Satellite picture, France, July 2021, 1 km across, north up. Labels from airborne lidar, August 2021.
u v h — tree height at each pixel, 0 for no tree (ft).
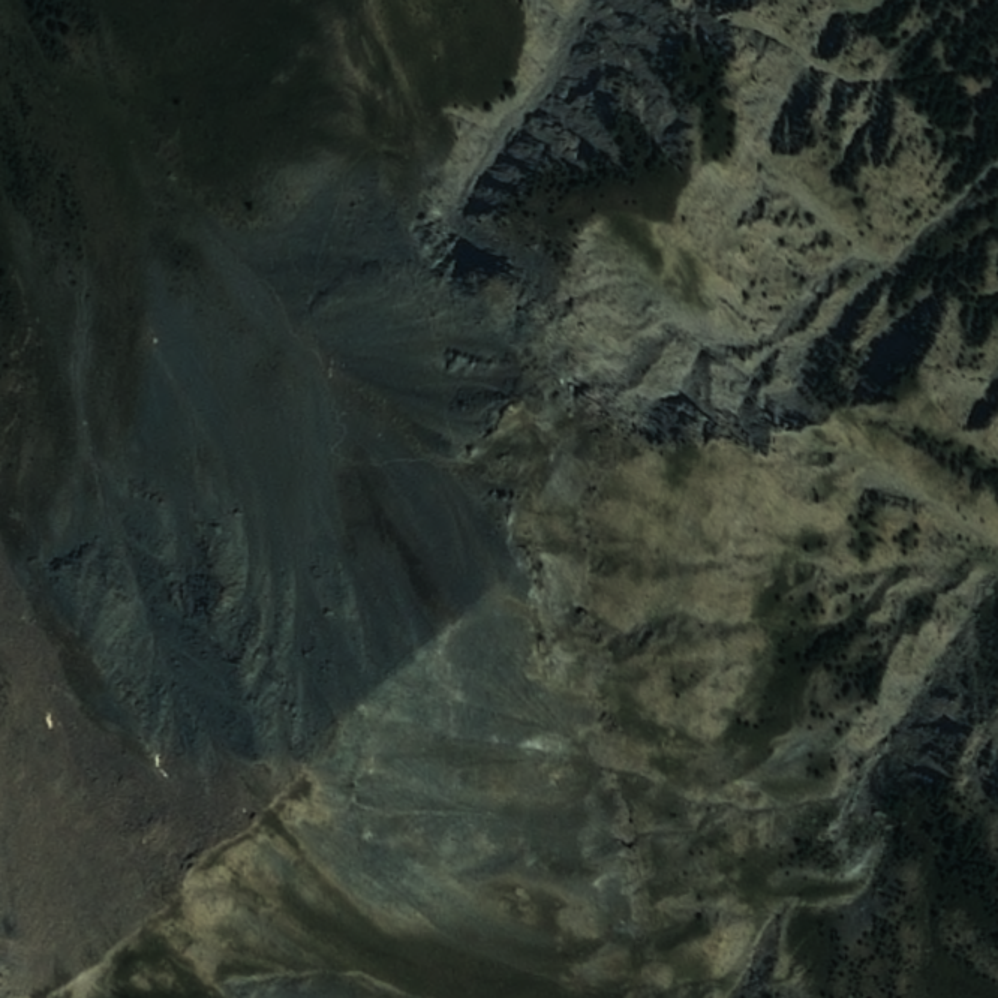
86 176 0
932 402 0
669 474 0
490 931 0
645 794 0
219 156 0
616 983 0
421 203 0
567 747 0
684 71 41
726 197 0
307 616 0
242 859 0
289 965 0
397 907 0
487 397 0
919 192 0
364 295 0
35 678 0
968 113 65
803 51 0
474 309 0
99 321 0
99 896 0
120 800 0
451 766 0
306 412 0
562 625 0
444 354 0
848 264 0
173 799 0
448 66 0
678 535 0
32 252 0
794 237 0
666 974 0
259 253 0
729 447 0
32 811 0
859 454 0
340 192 0
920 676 0
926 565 0
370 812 0
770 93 0
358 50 0
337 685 0
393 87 0
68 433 0
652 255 0
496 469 0
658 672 0
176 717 0
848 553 0
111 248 0
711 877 0
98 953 0
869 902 0
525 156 0
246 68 0
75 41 0
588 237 0
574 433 0
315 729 0
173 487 0
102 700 0
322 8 0
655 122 0
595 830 0
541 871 0
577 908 0
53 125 0
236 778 0
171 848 0
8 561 0
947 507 0
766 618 0
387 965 0
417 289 0
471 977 0
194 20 0
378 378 0
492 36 0
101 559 0
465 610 0
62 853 0
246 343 0
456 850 0
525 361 0
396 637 0
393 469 0
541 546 0
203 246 0
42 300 0
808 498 0
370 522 0
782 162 0
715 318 0
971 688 43
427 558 0
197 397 0
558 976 0
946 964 0
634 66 0
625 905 0
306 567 0
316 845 0
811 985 0
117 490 0
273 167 0
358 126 0
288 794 0
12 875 0
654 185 0
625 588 0
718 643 0
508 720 0
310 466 0
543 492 0
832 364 32
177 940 0
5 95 0
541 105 0
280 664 0
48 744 0
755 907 0
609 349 0
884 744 0
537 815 0
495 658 0
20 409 0
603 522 0
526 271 0
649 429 0
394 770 0
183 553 0
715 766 0
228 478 0
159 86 0
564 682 0
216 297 0
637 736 0
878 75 0
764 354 0
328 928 0
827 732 0
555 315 0
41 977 0
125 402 0
